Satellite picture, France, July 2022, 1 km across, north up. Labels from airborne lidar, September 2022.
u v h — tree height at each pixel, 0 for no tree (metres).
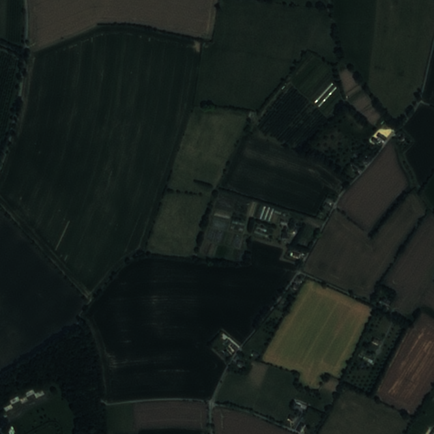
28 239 10
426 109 0
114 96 0
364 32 0
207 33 0
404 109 0
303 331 0
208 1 0
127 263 14
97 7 0
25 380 21
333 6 10
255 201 8
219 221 0
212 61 0
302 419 0
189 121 0
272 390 0
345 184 14
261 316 18
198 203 0
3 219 0
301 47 0
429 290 0
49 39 0
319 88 0
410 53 0
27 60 23
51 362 28
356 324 0
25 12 8
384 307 12
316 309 0
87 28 0
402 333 15
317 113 6
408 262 0
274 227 8
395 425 0
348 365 14
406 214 0
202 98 0
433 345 0
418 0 0
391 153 0
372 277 0
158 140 0
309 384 0
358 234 0
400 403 0
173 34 9
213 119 0
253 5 0
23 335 0
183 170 0
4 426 29
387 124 16
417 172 0
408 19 0
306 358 0
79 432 20
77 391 24
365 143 7
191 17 0
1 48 10
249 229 10
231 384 0
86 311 14
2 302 0
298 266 20
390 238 0
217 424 0
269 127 5
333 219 0
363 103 0
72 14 0
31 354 14
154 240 0
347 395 0
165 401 0
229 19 0
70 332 22
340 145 9
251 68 0
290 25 0
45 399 0
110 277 9
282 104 6
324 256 0
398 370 0
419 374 0
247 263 17
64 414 0
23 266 0
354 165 7
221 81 0
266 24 0
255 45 0
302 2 0
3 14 0
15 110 14
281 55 0
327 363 0
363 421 0
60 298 0
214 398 0
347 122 0
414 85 0
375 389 18
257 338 0
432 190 0
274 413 0
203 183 8
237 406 10
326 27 0
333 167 26
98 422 24
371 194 0
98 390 15
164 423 0
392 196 0
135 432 0
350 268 0
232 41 0
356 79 22
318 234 17
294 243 10
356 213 0
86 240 0
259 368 0
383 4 0
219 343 0
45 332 0
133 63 0
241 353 10
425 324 0
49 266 0
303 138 5
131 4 0
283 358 0
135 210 0
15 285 0
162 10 0
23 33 8
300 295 0
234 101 0
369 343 9
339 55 16
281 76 0
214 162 0
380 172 0
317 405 0
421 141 0
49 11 0
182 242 0
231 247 0
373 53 0
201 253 0
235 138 0
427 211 7
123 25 9
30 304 0
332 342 0
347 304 0
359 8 0
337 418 0
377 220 0
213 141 0
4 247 0
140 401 0
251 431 0
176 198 0
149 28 12
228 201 0
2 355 0
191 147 0
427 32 0
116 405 0
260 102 0
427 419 0
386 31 0
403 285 0
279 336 0
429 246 0
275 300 15
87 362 25
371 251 0
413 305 0
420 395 0
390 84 0
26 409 0
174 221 0
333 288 6
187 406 0
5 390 17
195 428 0
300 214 9
